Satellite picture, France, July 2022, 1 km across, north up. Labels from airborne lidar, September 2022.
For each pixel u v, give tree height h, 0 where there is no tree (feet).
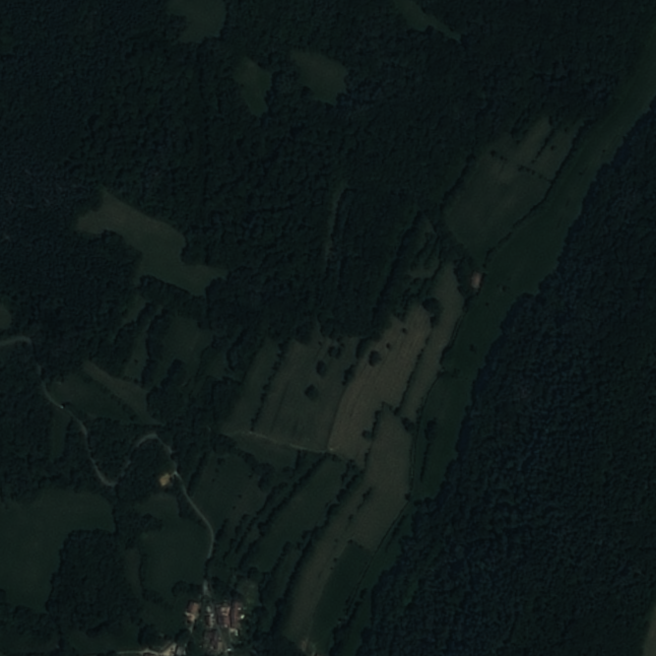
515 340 77
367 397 0
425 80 58
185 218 58
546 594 42
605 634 70
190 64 59
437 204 37
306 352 0
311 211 78
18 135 65
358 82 60
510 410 107
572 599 51
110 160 66
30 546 0
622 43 66
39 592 0
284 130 79
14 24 54
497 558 100
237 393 74
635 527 90
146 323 46
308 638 0
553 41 91
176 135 84
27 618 41
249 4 56
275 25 34
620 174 80
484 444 87
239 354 76
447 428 0
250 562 50
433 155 82
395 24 65
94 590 42
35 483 60
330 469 0
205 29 0
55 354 77
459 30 87
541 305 69
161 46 44
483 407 74
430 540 75
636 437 48
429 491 0
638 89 0
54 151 83
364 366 0
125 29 76
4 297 38
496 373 102
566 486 46
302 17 56
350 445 0
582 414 52
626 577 102
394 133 70
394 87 68
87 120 30
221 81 70
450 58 73
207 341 0
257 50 53
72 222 52
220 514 0
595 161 0
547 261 0
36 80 58
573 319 46
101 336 46
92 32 45
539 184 0
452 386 0
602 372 65
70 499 0
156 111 20
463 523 100
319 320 44
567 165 36
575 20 92
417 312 0
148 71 64
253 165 63
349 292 72
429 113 66
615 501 46
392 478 0
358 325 70
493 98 78
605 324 97
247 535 24
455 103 92
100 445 52
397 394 0
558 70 107
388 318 60
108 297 37
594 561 62
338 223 41
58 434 0
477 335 0
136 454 45
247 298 69
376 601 59
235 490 0
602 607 75
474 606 62
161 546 0
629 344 72
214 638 0
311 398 50
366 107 111
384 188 66
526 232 0
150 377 67
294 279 71
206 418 43
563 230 0
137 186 47
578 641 73
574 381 80
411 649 76
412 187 48
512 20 102
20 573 0
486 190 0
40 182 79
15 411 55
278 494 42
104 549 46
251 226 89
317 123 63
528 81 89
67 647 72
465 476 82
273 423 0
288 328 68
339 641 39
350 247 74
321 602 0
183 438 55
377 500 0
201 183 25
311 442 0
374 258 90
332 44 47
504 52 101
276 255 49
